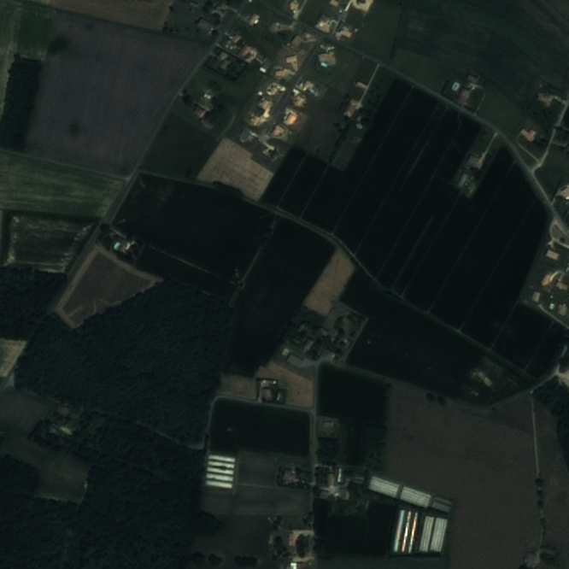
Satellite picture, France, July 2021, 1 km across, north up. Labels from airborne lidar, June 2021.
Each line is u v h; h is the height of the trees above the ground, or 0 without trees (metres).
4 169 0
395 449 0
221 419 0
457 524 0
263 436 0
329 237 0
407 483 0
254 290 0
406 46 0
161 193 0
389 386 6
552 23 0
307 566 0
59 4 0
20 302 20
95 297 0
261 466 0
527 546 0
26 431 0
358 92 0
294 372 0
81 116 0
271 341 0
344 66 0
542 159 0
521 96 0
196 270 0
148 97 0
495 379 0
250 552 0
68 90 0
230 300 0
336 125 8
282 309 0
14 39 0
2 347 0
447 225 0
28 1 0
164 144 0
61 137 0
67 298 0
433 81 0
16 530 20
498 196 0
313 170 0
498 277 0
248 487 0
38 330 10
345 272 0
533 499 0
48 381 20
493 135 0
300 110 0
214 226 0
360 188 0
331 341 11
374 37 0
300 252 0
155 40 0
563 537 0
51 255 0
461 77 0
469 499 0
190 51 0
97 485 19
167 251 0
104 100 0
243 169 0
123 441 17
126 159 0
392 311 0
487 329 0
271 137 0
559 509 0
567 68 0
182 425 19
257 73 0
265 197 0
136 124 0
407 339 0
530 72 0
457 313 0
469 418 0
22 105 12
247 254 0
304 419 0
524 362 0
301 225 0
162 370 20
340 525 0
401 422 0
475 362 0
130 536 14
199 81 0
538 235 0
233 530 0
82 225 0
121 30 0
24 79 13
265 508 0
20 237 0
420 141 0
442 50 0
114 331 22
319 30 0
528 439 0
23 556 17
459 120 0
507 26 0
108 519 17
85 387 21
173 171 0
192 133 0
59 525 26
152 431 17
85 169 0
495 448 0
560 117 0
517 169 0
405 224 0
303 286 0
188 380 19
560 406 8
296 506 0
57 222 0
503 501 0
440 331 0
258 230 0
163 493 8
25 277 22
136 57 0
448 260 0
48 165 0
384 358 0
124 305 13
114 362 20
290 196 0
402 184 0
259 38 0
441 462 0
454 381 0
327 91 0
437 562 0
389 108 0
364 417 0
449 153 0
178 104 0
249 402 0
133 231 0
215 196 0
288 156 0
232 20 0
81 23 0
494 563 0
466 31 0
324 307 0
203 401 15
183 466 13
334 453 8
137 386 24
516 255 0
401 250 0
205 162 0
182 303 19
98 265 0
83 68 0
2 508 16
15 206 0
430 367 0
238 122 0
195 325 19
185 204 0
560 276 0
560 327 0
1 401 0
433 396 10
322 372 0
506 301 0
